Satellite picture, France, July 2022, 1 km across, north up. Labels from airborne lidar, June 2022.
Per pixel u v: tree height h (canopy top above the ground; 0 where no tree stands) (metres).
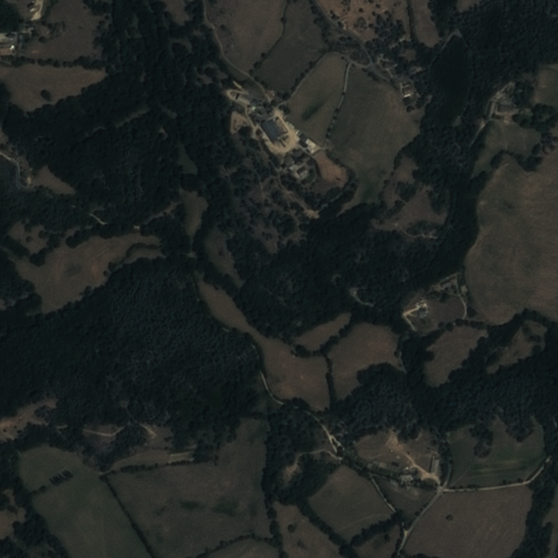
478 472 0
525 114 0
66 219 13
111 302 24
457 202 14
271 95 0
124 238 0
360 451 0
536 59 15
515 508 0
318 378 0
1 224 22
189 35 8
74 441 12
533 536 10
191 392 12
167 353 16
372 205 9
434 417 20
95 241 0
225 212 19
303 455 7
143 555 0
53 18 0
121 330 19
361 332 0
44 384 16
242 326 0
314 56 0
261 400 0
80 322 25
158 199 24
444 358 0
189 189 19
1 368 19
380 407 20
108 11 20
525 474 0
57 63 11
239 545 0
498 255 0
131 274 12
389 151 0
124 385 12
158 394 14
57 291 0
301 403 14
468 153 21
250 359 7
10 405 22
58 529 0
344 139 0
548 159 0
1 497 11
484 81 16
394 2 0
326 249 24
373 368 16
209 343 17
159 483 0
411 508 0
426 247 16
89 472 0
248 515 0
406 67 17
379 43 10
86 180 14
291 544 0
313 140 0
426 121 16
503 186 0
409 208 0
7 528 0
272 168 9
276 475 14
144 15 24
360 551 0
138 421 15
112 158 16
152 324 21
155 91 17
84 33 0
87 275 0
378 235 12
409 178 0
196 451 10
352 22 0
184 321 18
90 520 0
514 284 0
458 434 0
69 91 0
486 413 9
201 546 0
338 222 17
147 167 22
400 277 13
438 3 9
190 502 0
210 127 13
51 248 8
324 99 0
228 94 0
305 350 11
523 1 14
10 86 0
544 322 16
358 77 0
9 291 16
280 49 0
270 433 7
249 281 17
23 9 0
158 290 19
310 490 11
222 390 6
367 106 0
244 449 0
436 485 8
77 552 0
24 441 15
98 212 11
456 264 23
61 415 15
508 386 19
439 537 0
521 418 16
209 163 16
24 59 13
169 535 0
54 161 23
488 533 0
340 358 0
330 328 0
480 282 0
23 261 0
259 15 0
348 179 6
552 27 18
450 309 0
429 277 20
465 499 0
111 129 20
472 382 20
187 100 14
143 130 25
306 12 0
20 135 20
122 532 0
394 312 17
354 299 13
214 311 0
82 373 17
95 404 13
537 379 22
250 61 0
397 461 0
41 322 25
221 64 12
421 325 0
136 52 15
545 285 0
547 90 0
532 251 0
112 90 21
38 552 0
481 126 0
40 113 21
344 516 0
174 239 15
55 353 20
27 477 0
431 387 16
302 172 0
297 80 9
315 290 13
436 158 9
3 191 9
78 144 20
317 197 7
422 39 0
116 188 13
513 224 0
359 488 0
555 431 17
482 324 15
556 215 0
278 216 13
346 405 14
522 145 0
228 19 0
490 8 15
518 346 0
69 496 0
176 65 14
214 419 14
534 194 0
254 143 10
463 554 0
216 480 0
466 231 21
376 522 0
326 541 0
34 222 10
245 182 14
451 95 15
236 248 15
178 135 15
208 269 19
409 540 0
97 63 14
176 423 15
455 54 12
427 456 0
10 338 24
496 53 13
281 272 17
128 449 11
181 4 0
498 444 0
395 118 0
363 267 14
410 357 18
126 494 0
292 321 8
